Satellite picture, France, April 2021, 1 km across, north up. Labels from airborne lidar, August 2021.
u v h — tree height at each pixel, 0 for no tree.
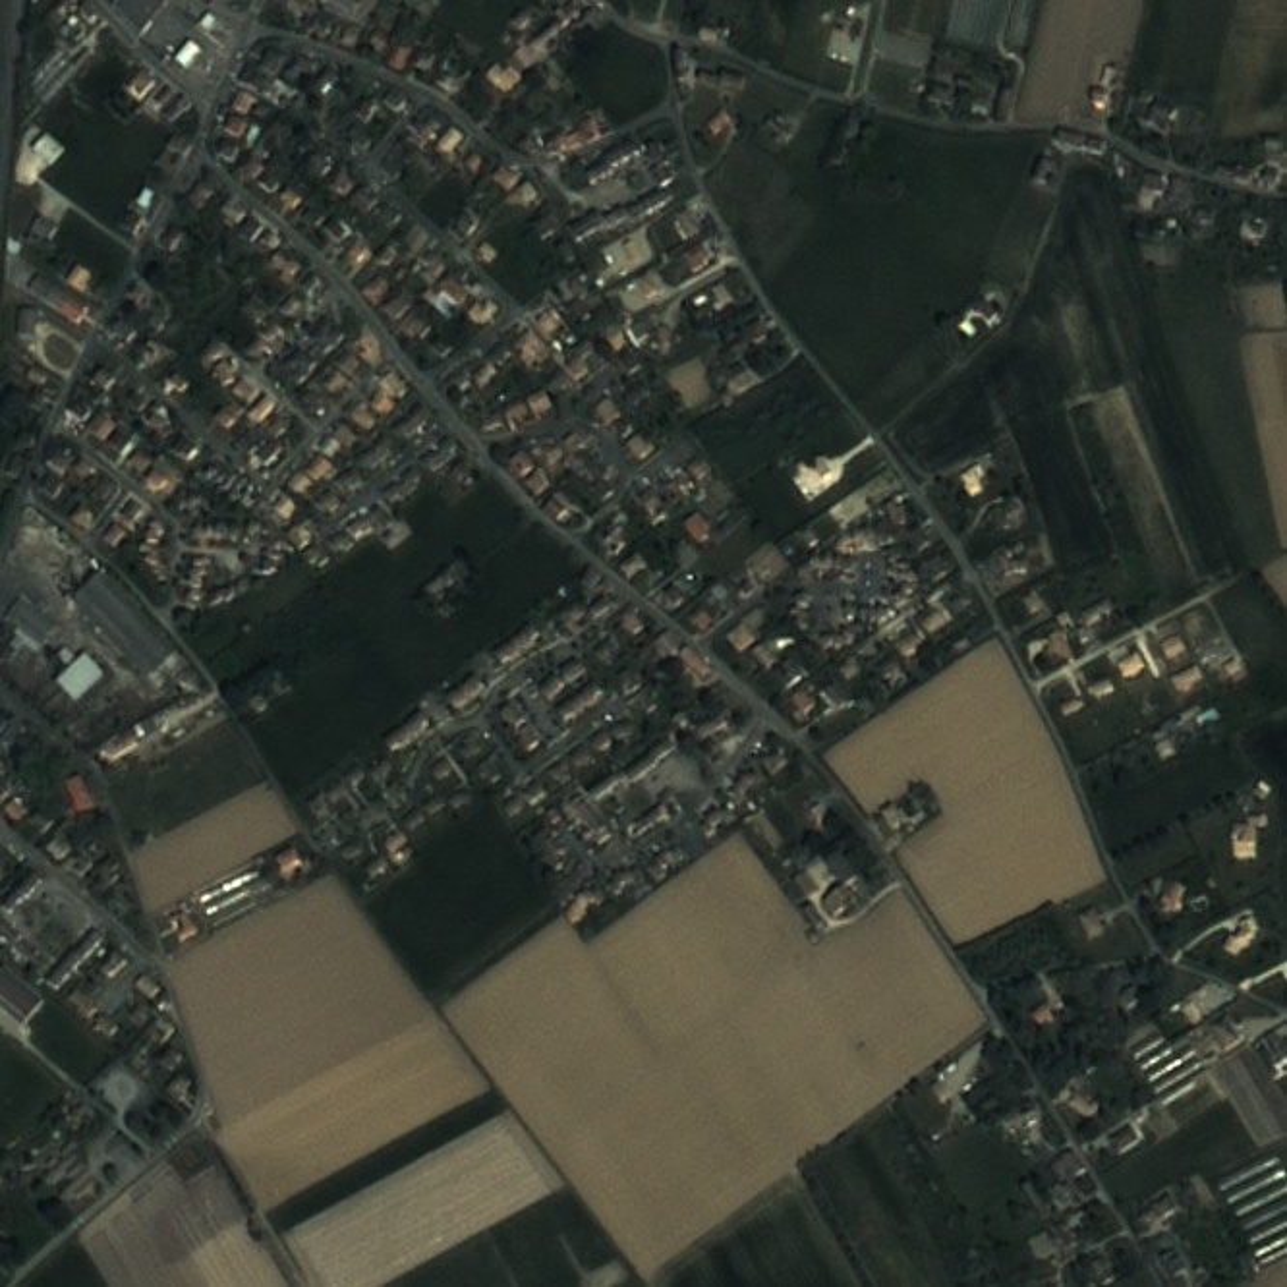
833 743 0
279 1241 0
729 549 0
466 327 10
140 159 0
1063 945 8
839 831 12
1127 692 0
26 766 21
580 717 7
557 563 0
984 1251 9
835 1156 0
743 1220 0
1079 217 0
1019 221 0
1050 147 0
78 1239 0
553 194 0
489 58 10
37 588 0
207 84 0
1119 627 8
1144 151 7
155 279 14
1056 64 0
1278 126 0
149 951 0
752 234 0
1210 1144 0
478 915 0
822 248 0
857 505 0
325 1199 0
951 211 0
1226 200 6
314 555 0
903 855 0
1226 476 0
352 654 0
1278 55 0
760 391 6
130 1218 0
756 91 0
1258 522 0
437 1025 0
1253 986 0
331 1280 0
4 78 0
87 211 0
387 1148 0
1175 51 0
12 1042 0
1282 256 6
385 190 0
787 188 0
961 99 12
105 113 0
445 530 0
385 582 0
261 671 11
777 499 0
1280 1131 0
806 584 0
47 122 0
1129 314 0
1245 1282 0
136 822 0
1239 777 0
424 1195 0
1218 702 0
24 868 6
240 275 6
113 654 0
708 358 0
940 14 0
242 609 0
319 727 0
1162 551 0
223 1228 0
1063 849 0
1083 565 0
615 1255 0
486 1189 0
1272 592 8
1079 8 0
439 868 0
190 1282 0
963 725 0
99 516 0
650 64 0
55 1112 7
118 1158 0
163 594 0
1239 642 0
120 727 9
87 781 8
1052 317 0
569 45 6
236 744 0
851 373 0
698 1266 0
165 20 0
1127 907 0
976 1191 0
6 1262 18
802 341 0
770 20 0
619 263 0
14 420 10
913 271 0
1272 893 6
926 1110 0
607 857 0
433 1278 0
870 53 0
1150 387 0
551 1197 0
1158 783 0
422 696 0
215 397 0
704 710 9
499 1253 0
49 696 0
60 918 0
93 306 0
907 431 0
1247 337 0
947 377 0
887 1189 0
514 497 0
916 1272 0
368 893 0
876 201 0
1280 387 0
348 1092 0
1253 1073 0
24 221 0
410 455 0
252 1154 0
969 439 0
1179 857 0
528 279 0
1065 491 0
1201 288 0
